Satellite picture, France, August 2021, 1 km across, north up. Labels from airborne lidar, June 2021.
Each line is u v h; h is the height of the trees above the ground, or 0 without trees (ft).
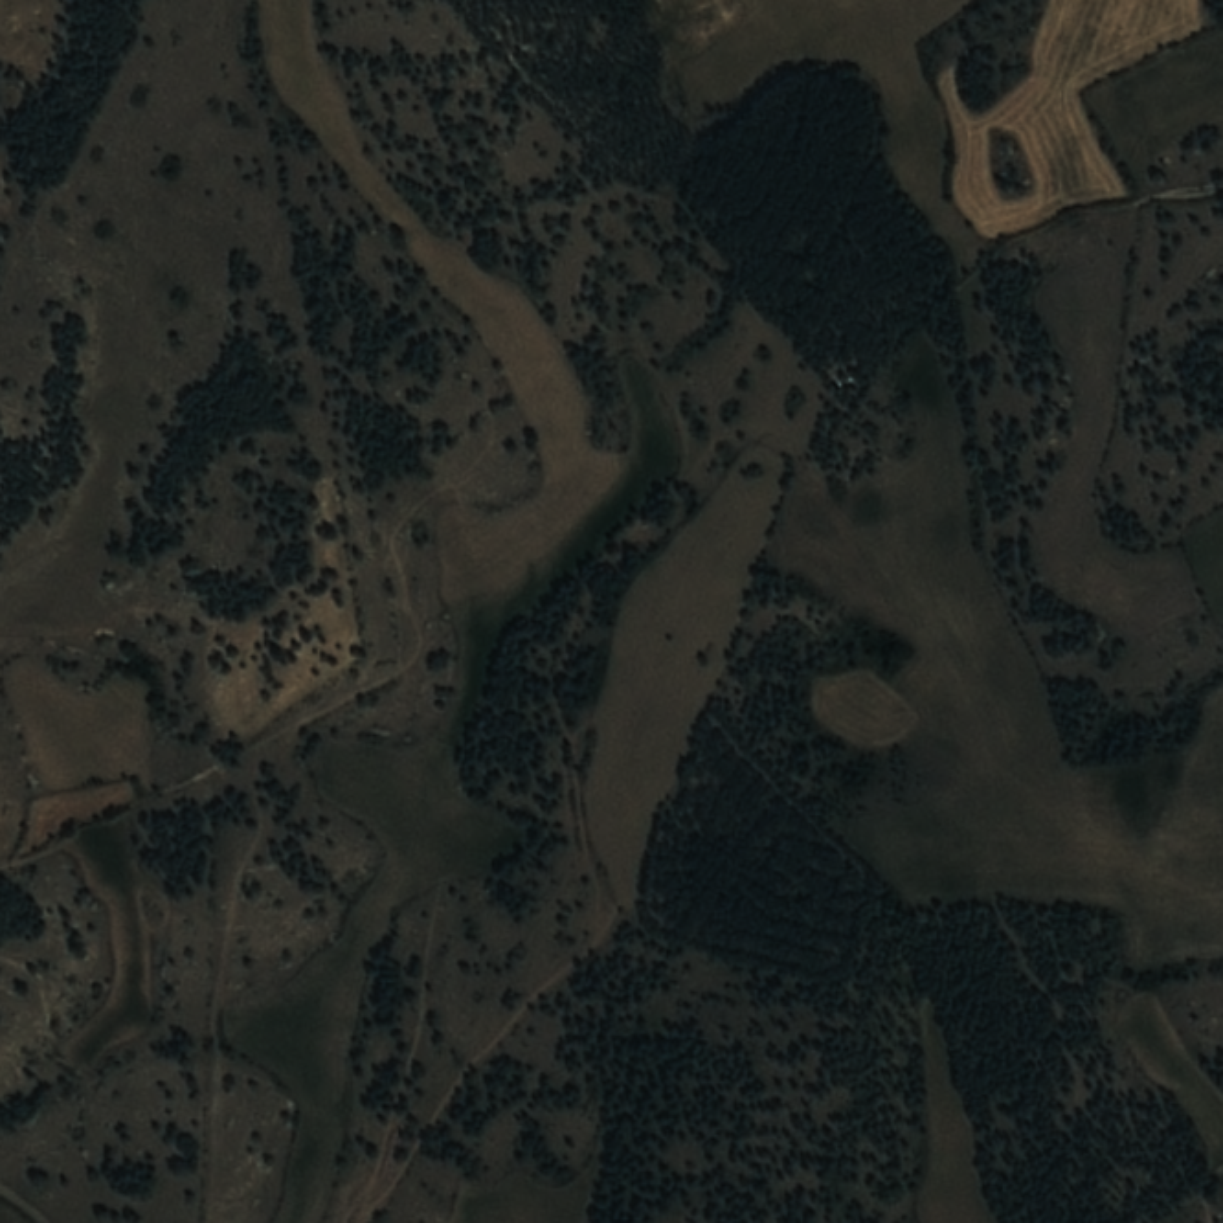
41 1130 0
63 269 0
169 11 0
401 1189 0
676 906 35
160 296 0
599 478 0
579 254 0
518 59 32
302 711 0
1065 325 0
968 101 52
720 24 0
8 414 0
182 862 34
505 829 0
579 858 0
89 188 0
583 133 35
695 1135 36
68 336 33
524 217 27
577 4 45
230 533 0
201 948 0
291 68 0
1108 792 0
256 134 0
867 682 0
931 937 42
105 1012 0
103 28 37
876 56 0
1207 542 0
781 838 40
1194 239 0
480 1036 0
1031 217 0
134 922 0
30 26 0
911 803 0
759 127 41
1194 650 0
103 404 0
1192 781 0
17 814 0
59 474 36
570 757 32
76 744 0
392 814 0
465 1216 0
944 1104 0
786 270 48
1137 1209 31
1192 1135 33
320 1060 0
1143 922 0
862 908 41
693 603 0
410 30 0
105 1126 0
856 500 0
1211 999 0
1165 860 0
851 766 24
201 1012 0
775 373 0
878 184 47
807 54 0
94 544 0
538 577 0
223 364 24
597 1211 31
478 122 35
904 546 0
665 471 0
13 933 32
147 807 0
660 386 0
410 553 0
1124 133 0
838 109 52
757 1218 40
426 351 35
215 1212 0
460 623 0
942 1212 0
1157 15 0
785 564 0
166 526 28
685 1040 39
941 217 0
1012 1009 38
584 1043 42
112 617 0
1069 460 0
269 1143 0
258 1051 0
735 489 0
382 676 0
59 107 43
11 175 23
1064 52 0
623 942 30
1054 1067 50
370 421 39
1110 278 0
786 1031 45
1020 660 0
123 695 0
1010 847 0
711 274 29
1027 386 34
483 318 0
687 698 0
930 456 0
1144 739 52
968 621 0
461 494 0
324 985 0
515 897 29
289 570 30
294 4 0
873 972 39
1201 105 0
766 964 44
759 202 47
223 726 0
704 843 50
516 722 46
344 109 0
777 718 38
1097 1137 53
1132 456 0
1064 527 0
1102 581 0
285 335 25
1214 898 0
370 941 0
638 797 0
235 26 0
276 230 0
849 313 40
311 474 26
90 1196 0
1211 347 43
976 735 0
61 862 0
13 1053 0
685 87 0
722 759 39
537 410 0
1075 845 0
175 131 0
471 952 0
